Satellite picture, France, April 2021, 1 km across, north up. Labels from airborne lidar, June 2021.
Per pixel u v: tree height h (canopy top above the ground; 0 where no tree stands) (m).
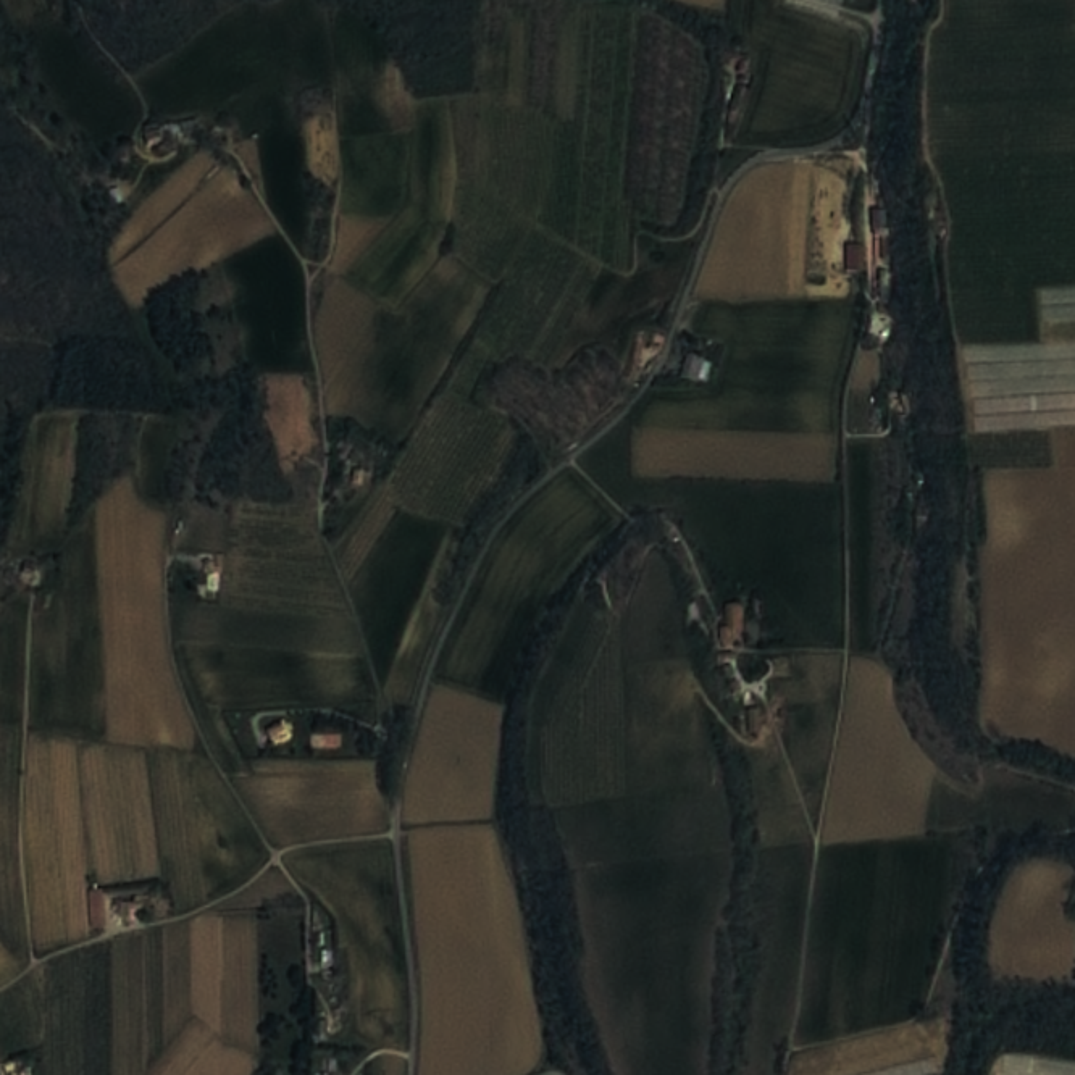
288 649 0
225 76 0
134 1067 0
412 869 0
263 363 0
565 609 14
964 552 9
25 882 0
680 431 0
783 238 0
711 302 0
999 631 0
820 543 0
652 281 0
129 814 0
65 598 0
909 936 0
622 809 0
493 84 0
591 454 0
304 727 0
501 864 0
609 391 17
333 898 0
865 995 0
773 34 0
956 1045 13
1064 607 0
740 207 0
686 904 0
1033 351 0
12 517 9
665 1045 0
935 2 11
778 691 0
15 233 17
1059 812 0
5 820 0
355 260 0
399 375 0
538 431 17
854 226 21
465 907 0
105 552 0
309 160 0
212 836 0
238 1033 0
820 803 0
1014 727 0
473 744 0
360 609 0
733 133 9
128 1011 0
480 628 0
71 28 15
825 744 0
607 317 0
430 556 0
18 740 0
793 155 0
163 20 15
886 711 0
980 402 0
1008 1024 12
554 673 0
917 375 14
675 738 0
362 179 0
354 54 0
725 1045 14
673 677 0
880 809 0
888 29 9
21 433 20
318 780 0
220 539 0
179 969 0
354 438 8
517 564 0
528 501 0
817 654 0
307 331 0
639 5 10
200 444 7
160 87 0
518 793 10
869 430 0
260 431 11
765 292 0
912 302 16
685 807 0
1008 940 0
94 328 15
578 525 0
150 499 0
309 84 0
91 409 13
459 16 12
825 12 0
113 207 10
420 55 7
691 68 9
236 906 0
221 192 0
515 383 13
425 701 0
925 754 0
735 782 16
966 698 18
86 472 12
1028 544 0
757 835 11
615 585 7
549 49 6
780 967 0
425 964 0
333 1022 0
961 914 11
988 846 8
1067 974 0
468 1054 0
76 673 0
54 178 17
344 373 0
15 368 17
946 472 14
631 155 7
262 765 0
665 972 0
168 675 0
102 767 0
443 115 0
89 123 0
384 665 0
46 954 0
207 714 0
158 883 6
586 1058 16
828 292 0
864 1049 0
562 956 16
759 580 0
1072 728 0
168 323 14
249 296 0
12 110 22
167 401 11
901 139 14
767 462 0
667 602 0
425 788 0
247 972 0
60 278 18
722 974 13
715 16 6
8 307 16
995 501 0
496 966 0
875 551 0
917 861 0
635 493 0
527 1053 0
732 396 0
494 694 0
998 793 0
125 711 0
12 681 0
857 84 0
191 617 0
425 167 0
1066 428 0
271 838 0
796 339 0
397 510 7
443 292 0
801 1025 0
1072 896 11
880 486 0
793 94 0
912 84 17
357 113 0
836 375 0
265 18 0
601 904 0
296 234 0
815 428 0
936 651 18
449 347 0
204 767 0
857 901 0
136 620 0
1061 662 0
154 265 0
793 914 0
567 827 0
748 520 0
